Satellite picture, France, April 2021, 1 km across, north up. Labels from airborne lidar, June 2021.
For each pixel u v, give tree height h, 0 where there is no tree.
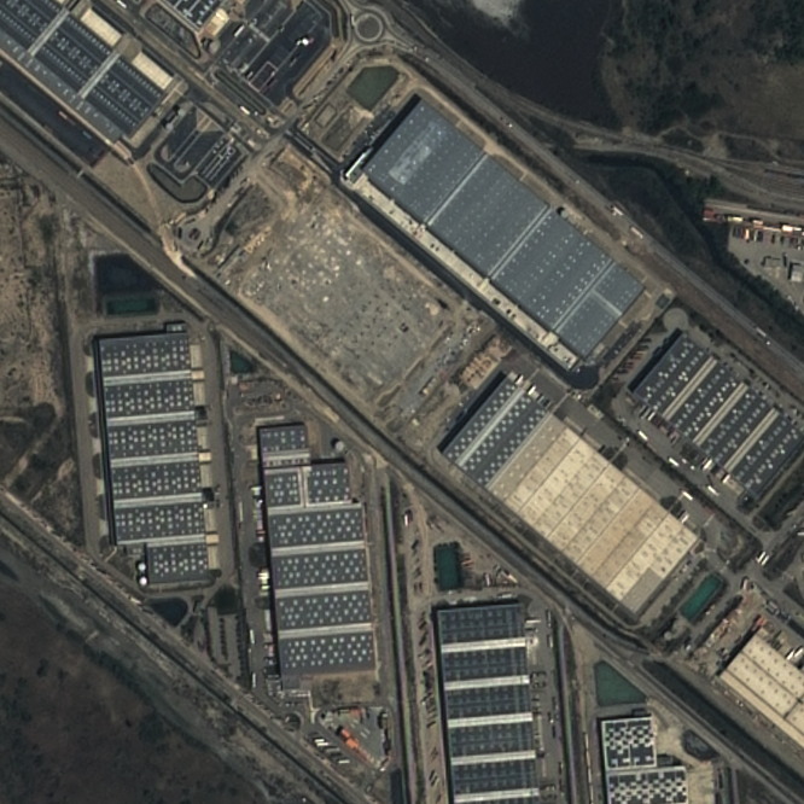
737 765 0
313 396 0
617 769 0
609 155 0
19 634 0
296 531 0
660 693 0
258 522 0
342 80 0
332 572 0
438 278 0
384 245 0
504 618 0
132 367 0
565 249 0
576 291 0
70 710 0
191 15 0
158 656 0
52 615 0
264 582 0
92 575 0
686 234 6
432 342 0
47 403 0
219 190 0
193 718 0
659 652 0
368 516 0
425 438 0
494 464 0
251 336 0
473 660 0
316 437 0
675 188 0
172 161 0
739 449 0
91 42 0
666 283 0
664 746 0
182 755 0
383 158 0
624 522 0
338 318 15
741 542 0
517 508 0
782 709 0
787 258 0
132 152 0
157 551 0
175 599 0
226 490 0
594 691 0
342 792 0
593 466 0
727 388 0
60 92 0
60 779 0
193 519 0
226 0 0
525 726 0
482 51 0
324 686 0
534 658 0
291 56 0
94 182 0
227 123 0
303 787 0
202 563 0
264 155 0
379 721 0
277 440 0
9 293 0
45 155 0
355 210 0
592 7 0
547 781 0
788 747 0
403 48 0
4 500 0
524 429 0
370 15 0
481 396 0
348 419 0
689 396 0
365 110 0
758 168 0
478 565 0
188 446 0
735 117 0
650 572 0
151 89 0
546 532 0
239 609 0
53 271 0
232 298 0
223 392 0
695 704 0
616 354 0
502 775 0
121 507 0
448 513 0
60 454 0
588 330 0
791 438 0
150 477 0
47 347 0
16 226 0
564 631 0
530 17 0
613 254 0
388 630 0
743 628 0
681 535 0
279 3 0
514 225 0
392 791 0
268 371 0
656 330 0
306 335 0
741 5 0
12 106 0
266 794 0
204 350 0
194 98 0
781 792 0
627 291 0
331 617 0
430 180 0
